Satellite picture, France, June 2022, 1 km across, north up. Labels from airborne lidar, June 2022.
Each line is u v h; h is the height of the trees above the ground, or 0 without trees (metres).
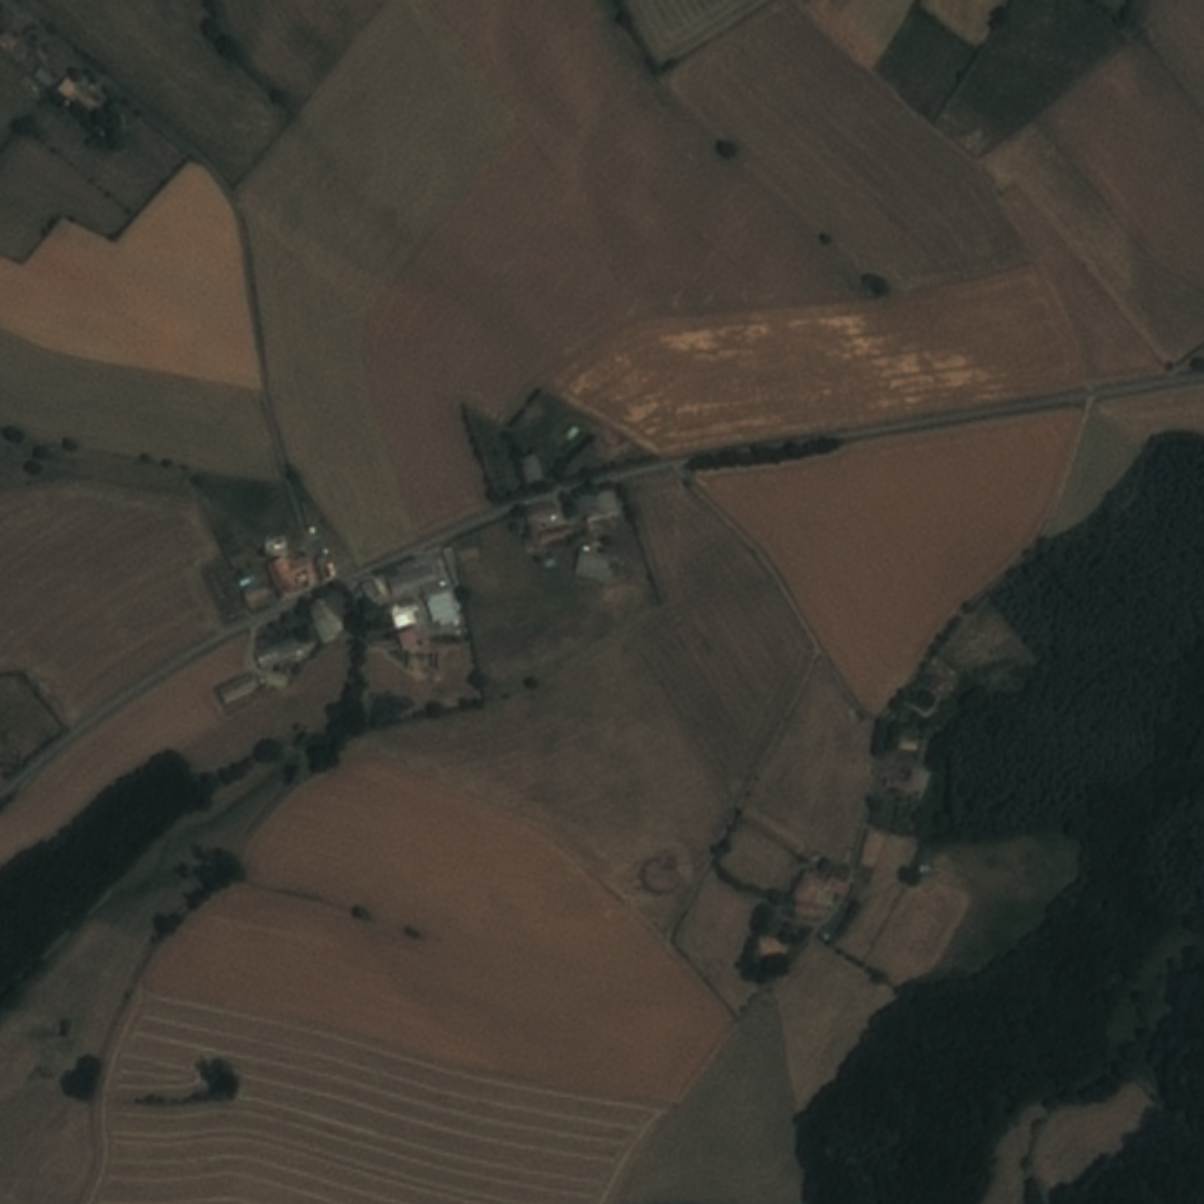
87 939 0
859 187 0
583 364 0
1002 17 14
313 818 0
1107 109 0
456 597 9
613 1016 0
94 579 0
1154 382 0
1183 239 0
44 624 0
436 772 0
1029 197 0
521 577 0
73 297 0
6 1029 0
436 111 0
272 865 0
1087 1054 22
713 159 0
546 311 0
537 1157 0
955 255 0
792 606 0
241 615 0
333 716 17
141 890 0
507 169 0
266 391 0
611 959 0
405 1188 0
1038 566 12
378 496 0
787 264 0
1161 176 0
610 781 0
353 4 0
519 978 0
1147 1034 15
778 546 0
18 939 14
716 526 0
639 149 0
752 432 0
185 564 0
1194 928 24
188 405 0
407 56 0
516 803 0
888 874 0
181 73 0
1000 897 0
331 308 0
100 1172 0
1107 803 23
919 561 0
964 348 0
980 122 0
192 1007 0
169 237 0
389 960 0
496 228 0
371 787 0
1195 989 31
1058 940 21
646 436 0
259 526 0
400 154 0
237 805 0
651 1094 0
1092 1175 15
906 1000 14
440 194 0
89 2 0
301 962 0
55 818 0
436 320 0
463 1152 0
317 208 0
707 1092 0
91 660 0
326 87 0
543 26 0
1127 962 28
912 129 0
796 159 0
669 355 0
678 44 0
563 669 0
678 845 0
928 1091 25
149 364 0
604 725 0
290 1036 0
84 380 0
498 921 0
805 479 0
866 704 0
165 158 0
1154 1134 29
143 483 0
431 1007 0
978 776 19
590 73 0
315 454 0
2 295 0
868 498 0
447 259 0
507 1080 0
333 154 0
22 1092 0
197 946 0
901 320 0
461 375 0
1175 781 6
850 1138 16
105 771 0
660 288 0
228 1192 0
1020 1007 16
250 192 0
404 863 0
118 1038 0
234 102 0
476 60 0
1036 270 0
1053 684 22
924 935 0
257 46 0
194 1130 0
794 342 0
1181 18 0
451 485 0
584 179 0
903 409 0
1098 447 0
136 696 0
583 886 0
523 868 0
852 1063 14
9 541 0
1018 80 0
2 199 0
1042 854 0
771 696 0
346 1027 0
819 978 0
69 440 9
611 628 0
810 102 0
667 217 0
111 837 15
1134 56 0
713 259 0
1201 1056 23
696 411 0
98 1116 0
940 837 7
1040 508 0
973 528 0
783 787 0
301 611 10
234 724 0
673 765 0
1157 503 19
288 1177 0
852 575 0
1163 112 0
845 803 0
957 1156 26
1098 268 0
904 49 0
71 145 0
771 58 0
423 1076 0
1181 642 21
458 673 0
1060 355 0
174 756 12
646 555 0
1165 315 0
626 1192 0
